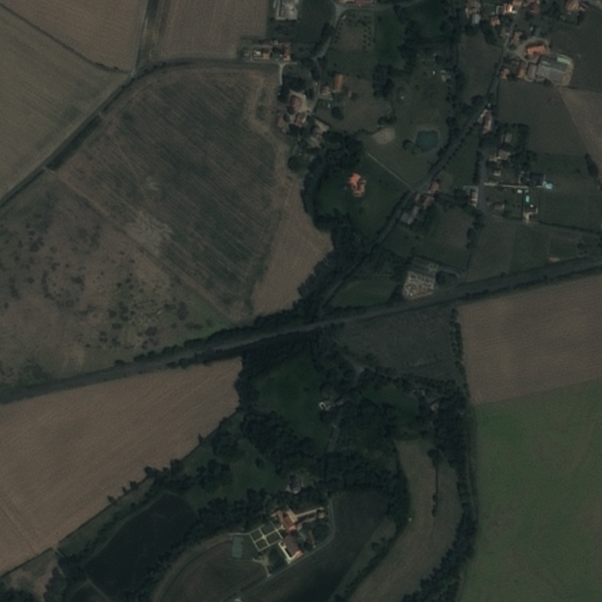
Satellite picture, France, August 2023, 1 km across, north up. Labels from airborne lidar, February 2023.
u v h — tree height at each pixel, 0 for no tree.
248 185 0
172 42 0
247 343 0
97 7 0
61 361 0
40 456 0
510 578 0
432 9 0
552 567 0
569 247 0
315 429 0
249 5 0
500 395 0
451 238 0
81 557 7
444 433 27
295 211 0
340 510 0
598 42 0
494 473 0
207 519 22
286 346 18
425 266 0
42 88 0
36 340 0
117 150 0
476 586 0
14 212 0
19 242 0
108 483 0
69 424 0
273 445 33
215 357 18
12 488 0
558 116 0
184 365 14
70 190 0
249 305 0
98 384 0
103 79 0
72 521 0
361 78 8
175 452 0
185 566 0
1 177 0
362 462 13
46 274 0
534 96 0
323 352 20
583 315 0
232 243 0
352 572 0
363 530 0
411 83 0
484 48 0
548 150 0
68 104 0
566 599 0
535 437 0
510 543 0
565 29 0
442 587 13
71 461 0
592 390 0
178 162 0
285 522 0
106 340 0
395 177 0
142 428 0
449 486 0
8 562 0
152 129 0
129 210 0
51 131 0
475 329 0
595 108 0
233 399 0
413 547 0
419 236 12
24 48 0
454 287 0
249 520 15
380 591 0
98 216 0
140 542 0
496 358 0
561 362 0
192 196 0
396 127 0
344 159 16
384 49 0
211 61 0
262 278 0
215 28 0
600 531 0
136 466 0
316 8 0
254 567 0
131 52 0
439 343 0
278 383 0
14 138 0
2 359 0
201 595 0
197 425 0
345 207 0
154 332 0
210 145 0
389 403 0
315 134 0
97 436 0
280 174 0
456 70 8
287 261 0
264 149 0
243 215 0
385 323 0
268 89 0
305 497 22
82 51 0
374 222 0
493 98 7
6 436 0
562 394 0
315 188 29
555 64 0
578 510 0
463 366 7
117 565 0
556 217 0
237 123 0
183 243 0
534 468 0
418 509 0
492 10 0
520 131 6
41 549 0
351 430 26
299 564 0
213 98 0
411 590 0
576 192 0
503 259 0
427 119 0
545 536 0
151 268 0
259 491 0
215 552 0
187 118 0
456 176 0
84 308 0
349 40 0
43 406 0
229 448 32
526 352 0
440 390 7
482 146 8
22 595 8
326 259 0
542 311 0
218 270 0
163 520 0
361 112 0
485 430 0
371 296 0
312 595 0
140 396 0
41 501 0
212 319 0
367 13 0
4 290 0
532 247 0
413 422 0
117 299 0
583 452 0
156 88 0
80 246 0
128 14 0
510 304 0
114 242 0
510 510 0
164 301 0
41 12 0
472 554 12
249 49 0
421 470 0
